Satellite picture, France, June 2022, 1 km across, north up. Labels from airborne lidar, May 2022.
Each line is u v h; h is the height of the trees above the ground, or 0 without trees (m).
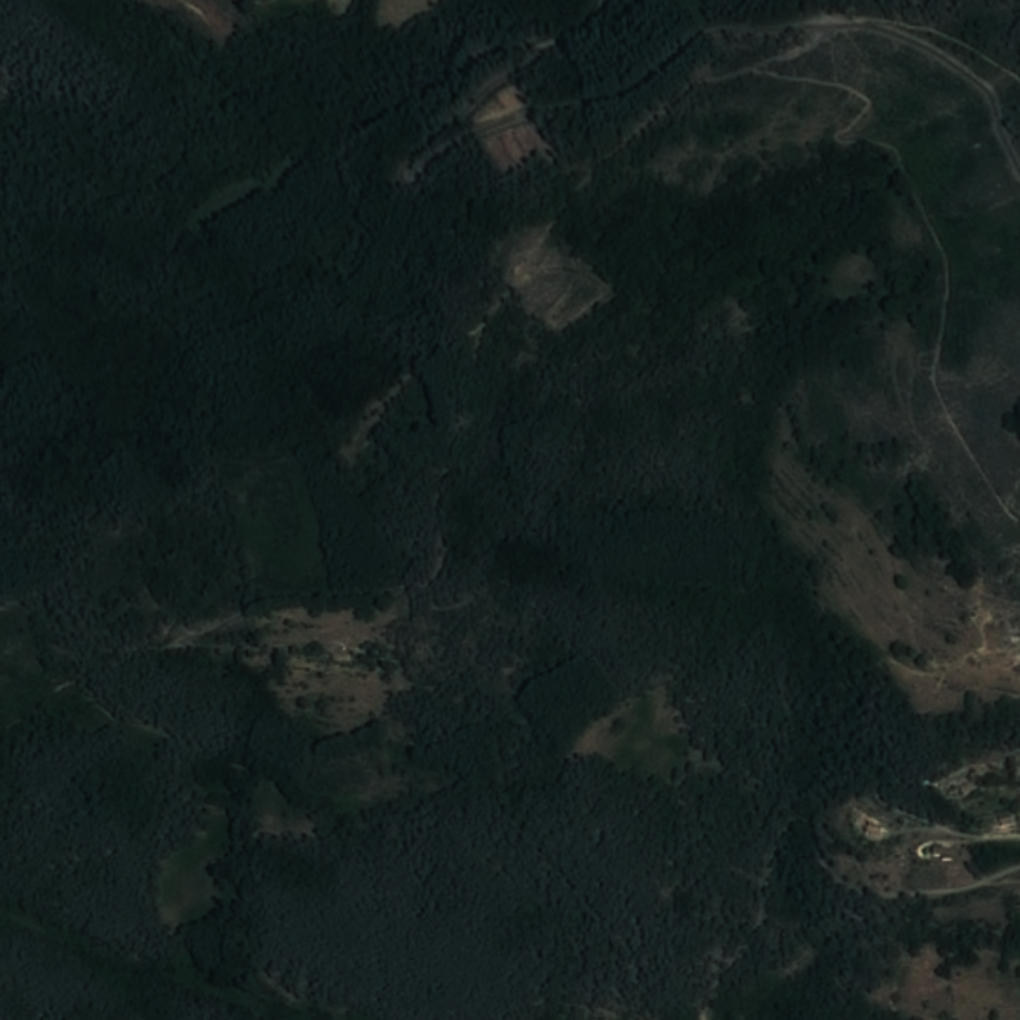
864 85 0
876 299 28
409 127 23
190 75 20
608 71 32
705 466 18
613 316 11
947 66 0
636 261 16
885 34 0
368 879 24
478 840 21
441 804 19
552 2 22
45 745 23
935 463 0
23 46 20
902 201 22
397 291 13
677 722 11
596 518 19
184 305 18
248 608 17
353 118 18
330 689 0
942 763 9
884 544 0
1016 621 0
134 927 19
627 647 15
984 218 0
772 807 11
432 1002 17
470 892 20
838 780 22
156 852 18
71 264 17
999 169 0
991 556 0
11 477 21
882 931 11
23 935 23
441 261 10
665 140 11
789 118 0
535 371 10
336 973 15
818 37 0
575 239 13
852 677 13
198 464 24
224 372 18
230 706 17
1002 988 0
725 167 7
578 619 20
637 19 33
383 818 15
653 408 12
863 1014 15
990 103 0
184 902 0
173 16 27
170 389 15
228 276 19
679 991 15
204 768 12
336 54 17
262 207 21
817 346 19
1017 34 11
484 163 16
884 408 0
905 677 0
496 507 24
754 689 16
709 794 11
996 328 0
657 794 12
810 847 20
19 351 21
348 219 18
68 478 20
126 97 11
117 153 23
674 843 14
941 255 0
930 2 10
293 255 23
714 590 13
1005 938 8
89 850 22
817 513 6
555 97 19
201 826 16
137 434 17
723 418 16
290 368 12
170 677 20
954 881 0
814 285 33
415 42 30
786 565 27
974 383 0
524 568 23
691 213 16
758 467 20
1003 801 9
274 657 16
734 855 20
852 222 22
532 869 18
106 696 20
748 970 16
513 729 16
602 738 0
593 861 21
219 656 15
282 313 16
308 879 17
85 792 29
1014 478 0
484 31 28
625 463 15
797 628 21
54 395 28
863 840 7
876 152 13
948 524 10
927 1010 6
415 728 8
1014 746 15
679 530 36
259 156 19
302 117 22
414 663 6
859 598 0
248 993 29
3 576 28
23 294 14
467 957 18
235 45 23
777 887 13
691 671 17
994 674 0
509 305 15
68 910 19
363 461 6
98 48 14
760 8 14
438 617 8
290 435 9
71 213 17
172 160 15
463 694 11
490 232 13
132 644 15
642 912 20
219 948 22
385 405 10
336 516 15
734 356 12
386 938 15
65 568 19
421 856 16
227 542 11
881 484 0
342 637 0
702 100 15
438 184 12
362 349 10
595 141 25
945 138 0
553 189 12
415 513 21
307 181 19
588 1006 7
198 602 12
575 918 16
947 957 10
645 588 15
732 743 11
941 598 0
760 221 17
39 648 9
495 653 11
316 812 12
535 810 21
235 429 14
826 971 14
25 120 16
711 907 16
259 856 18
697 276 13
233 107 24
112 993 14
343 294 17
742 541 30
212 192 18
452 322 15
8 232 19
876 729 20
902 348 0
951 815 12
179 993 23
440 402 29
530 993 14
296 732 32
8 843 23
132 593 7
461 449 27
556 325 0
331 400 8
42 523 10
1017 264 0
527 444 21
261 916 17
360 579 18
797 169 8
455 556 14
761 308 12
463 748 29
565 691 35
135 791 21
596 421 17
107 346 16
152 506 22
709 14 12
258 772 24
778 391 16
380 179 16
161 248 21
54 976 16
